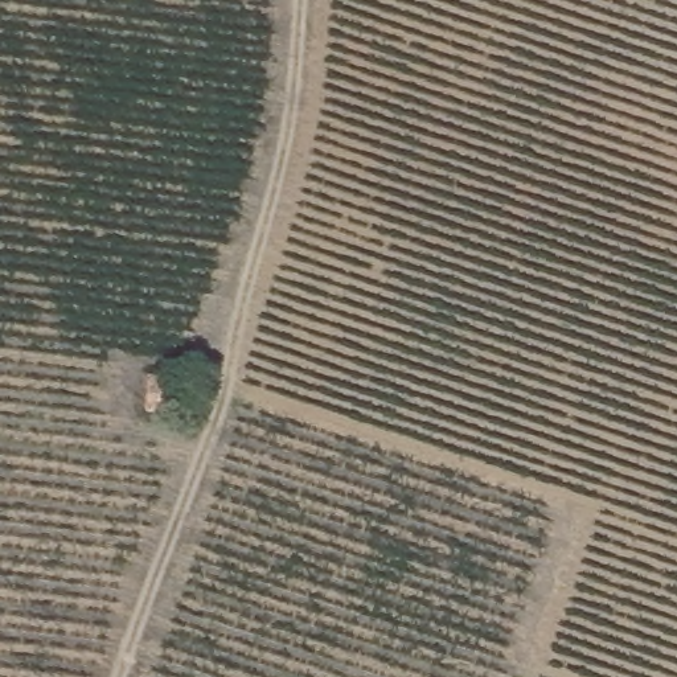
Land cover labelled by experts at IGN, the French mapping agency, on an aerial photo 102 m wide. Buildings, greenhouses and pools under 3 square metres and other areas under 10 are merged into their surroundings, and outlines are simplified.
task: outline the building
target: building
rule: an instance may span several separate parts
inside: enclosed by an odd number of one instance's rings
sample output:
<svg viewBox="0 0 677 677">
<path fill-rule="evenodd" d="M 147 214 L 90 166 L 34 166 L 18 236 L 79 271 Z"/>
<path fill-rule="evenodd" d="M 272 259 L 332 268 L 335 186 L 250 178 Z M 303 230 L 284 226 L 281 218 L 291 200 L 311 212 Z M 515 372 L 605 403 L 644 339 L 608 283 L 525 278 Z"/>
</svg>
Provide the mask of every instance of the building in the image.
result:
<svg viewBox="0 0 677 677">
<path fill-rule="evenodd" d="M 198 439 L 206 420 L 201 415 L 185 415 L 182 410 L 177 410 L 177 402 L 164 399 L 156 376 L 151 376 L 145 383 L 145 405 L 132 407 L 135 418 L 151 426 L 164 423 L 172 431 L 182 434 L 185 439 Z"/>
</svg>

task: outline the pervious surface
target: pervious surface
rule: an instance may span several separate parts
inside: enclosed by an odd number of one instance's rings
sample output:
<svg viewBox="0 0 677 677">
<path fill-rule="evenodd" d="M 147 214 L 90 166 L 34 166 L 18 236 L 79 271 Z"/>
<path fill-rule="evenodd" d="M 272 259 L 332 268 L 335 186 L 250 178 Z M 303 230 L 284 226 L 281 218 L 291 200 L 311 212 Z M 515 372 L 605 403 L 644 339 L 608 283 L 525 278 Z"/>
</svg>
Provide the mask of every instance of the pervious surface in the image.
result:
<svg viewBox="0 0 677 677">
<path fill-rule="evenodd" d="M 138 526 L 140 537 L 151 537 L 159 545 L 148 563 L 148 574 L 135 600 L 132 616 L 124 627 L 119 653 L 111 669 L 114 677 L 127 677 L 135 666 L 135 656 L 148 627 L 156 592 L 177 547 L 177 539 L 185 529 L 185 516 L 204 479 L 204 468 L 209 465 L 214 444 L 227 423 L 230 405 L 233 399 L 246 399 L 254 389 L 246 386 L 243 370 L 249 362 L 254 336 L 270 341 L 267 333 L 259 333 L 259 312 L 264 312 L 267 304 L 270 280 L 275 275 L 288 278 L 286 270 L 280 270 L 280 264 L 286 251 L 294 251 L 294 246 L 288 243 L 288 238 L 296 238 L 291 222 L 301 201 L 301 188 L 309 188 L 307 172 L 315 161 L 312 148 L 320 111 L 325 103 L 331 0 L 291 0 L 288 58 L 283 82 L 288 103 L 280 114 L 270 177 L 262 193 L 262 209 L 257 214 L 254 233 L 249 238 L 225 336 L 214 346 L 222 354 L 222 381 L 206 420 L 198 439 L 185 439 L 182 434 L 172 431 L 159 444 L 159 458 L 177 460 L 185 465 L 182 487 L 175 497 L 175 505 L 164 526 Z"/>
</svg>

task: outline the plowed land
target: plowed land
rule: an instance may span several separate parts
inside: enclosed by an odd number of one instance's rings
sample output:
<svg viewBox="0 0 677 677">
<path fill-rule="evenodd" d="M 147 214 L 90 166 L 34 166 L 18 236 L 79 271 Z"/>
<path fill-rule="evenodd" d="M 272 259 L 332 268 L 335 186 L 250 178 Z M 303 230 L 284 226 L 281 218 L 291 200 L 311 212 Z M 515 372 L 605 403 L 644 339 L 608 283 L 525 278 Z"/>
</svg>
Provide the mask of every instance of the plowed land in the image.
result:
<svg viewBox="0 0 677 677">
<path fill-rule="evenodd" d="M 397 450 L 415 460 L 447 465 L 479 476 L 489 484 L 545 500 L 545 510 L 553 516 L 550 529 L 545 532 L 545 558 L 537 558 L 529 571 L 529 584 L 542 595 L 542 600 L 526 600 L 524 616 L 518 619 L 510 635 L 510 645 L 505 648 L 505 664 L 516 677 L 563 677 L 563 669 L 555 669 L 550 664 L 555 653 L 553 640 L 569 608 L 569 600 L 574 598 L 584 550 L 595 532 L 595 521 L 619 524 L 616 516 L 603 516 L 600 510 L 611 508 L 611 513 L 621 513 L 624 508 L 590 500 L 569 489 L 542 484 L 471 458 L 460 458 L 447 450 L 376 426 L 357 423 L 352 418 L 304 402 L 294 402 L 264 389 L 254 389 L 246 399 L 267 413 L 296 418 L 317 428 L 354 436 L 365 444 Z"/>
</svg>

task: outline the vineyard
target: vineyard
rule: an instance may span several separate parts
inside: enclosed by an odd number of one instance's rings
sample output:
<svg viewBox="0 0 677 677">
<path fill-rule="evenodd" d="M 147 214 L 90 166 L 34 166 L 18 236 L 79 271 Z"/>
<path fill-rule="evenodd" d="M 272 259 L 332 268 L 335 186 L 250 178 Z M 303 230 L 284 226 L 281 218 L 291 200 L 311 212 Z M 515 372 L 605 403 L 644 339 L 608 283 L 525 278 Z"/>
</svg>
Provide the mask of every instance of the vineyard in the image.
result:
<svg viewBox="0 0 677 677">
<path fill-rule="evenodd" d="M 132 616 L 135 600 L 148 574 L 148 563 L 159 545 L 151 537 L 140 537 L 138 526 L 164 526 L 175 505 L 175 497 L 182 487 L 185 465 L 177 460 L 159 458 L 159 444 L 172 431 L 164 423 L 151 426 L 135 418 L 132 407 L 145 405 L 145 383 L 151 376 L 156 376 L 164 399 L 177 402 L 177 410 L 182 410 L 185 415 L 201 415 L 206 420 L 222 381 L 222 354 L 214 346 L 225 336 L 249 238 L 254 233 L 257 214 L 262 209 L 262 193 L 270 177 L 280 114 L 288 103 L 283 82 L 288 58 L 291 0 L 0 0 L 0 677 L 114 677 L 111 669 L 119 653 L 124 627 Z"/>
<path fill-rule="evenodd" d="M 254 336 L 249 362 L 243 370 L 246 386 L 254 389 L 264 389 L 294 402 L 304 402 L 352 418 L 357 423 L 376 426 L 447 450 L 460 458 L 471 458 L 542 484 L 569 489 L 590 500 L 624 508 L 621 513 L 611 513 L 611 508 L 600 510 L 603 516 L 616 516 L 619 524 L 595 521 L 595 532 L 584 550 L 574 598 L 569 600 L 569 608 L 553 640 L 555 653 L 550 664 L 555 669 L 563 669 L 563 677 L 677 677 L 677 0 L 331 0 L 325 103 L 320 111 L 312 148 L 315 161 L 307 172 L 309 188 L 301 188 L 301 201 L 291 222 L 296 238 L 288 238 L 288 243 L 294 246 L 294 251 L 286 251 L 280 264 L 280 270 L 286 270 L 288 278 L 275 275 L 270 280 L 267 304 L 264 312 L 259 312 L 259 333 L 267 333 L 270 341 Z"/>
<path fill-rule="evenodd" d="M 529 584 L 529 571 L 537 558 L 545 558 L 545 532 L 550 529 L 553 516 L 545 510 L 545 500 L 489 484 L 479 476 L 447 465 L 415 460 L 397 450 L 365 444 L 354 436 L 317 428 L 296 418 L 267 413 L 246 399 L 233 399 L 230 405 L 227 423 L 214 444 L 209 465 L 204 468 L 204 479 L 185 516 L 185 529 L 177 539 L 177 547 L 156 592 L 148 627 L 135 656 L 135 666 L 127 677 L 516 677 L 505 664 L 505 648 L 510 645 L 510 635 L 518 619 L 524 616 L 526 600 L 542 600 L 542 595 Z"/>
</svg>

